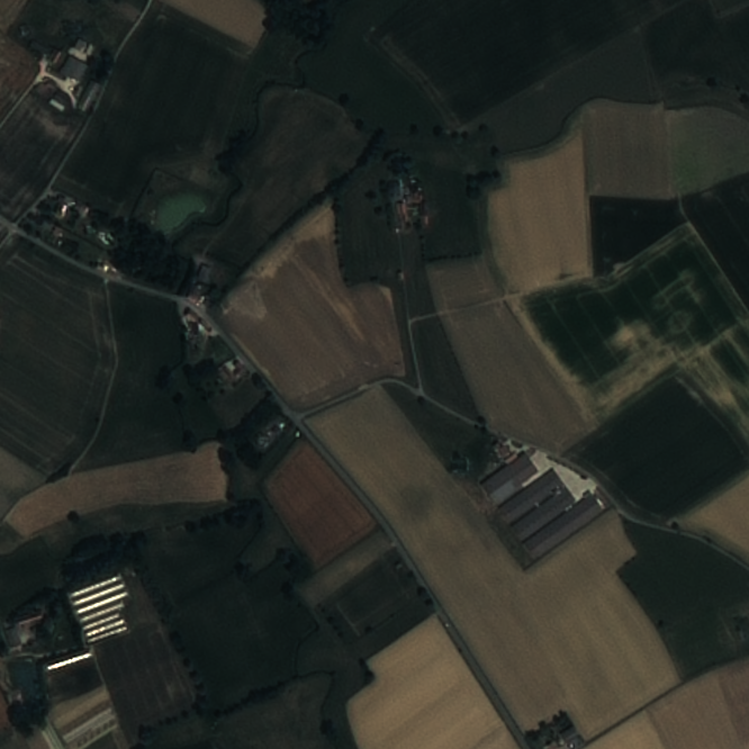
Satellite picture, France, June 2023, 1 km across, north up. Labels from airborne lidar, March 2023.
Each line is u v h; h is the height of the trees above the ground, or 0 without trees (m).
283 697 0
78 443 0
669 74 0
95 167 0
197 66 0
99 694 0
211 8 0
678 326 0
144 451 0
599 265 0
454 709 0
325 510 0
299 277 0
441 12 0
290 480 0
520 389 0
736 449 0
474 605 0
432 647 0
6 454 0
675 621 0
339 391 0
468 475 0
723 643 0
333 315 0
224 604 0
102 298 0
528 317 0
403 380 0
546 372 0
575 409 0
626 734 0
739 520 0
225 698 0
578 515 0
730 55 0
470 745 0
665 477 0
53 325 0
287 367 0
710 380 0
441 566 0
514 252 0
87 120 0
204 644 0
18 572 0
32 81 0
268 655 0
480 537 0
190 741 0
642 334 0
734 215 0
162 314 0
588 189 0
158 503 0
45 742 0
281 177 0
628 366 0
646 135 0
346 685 0
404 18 0
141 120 0
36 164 0
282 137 0
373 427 0
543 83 0
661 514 0
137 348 0
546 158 0
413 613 0
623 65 0
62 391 0
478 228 0
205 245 0
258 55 0
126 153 0
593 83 0
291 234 0
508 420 0
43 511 0
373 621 0
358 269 0
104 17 0
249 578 11
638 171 0
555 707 0
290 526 0
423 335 0
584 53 0
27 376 0
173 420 0
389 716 0
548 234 0
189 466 0
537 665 0
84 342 0
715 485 0
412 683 0
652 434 0
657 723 0
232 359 0
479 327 0
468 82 0
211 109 0
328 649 0
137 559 20
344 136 0
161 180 0
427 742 0
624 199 0
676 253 0
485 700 0
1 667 0
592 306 0
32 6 0
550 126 0
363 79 0
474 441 0
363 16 0
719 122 0
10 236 0
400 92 0
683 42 0
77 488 0
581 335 0
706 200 0
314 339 0
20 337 0
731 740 0
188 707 0
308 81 0
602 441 0
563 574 0
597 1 0
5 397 0
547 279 0
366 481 0
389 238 0
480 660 0
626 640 0
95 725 0
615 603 0
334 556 0
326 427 0
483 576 0
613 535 0
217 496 0
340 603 0
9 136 0
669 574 0
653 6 0
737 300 0
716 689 0
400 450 0
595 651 0
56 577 0
